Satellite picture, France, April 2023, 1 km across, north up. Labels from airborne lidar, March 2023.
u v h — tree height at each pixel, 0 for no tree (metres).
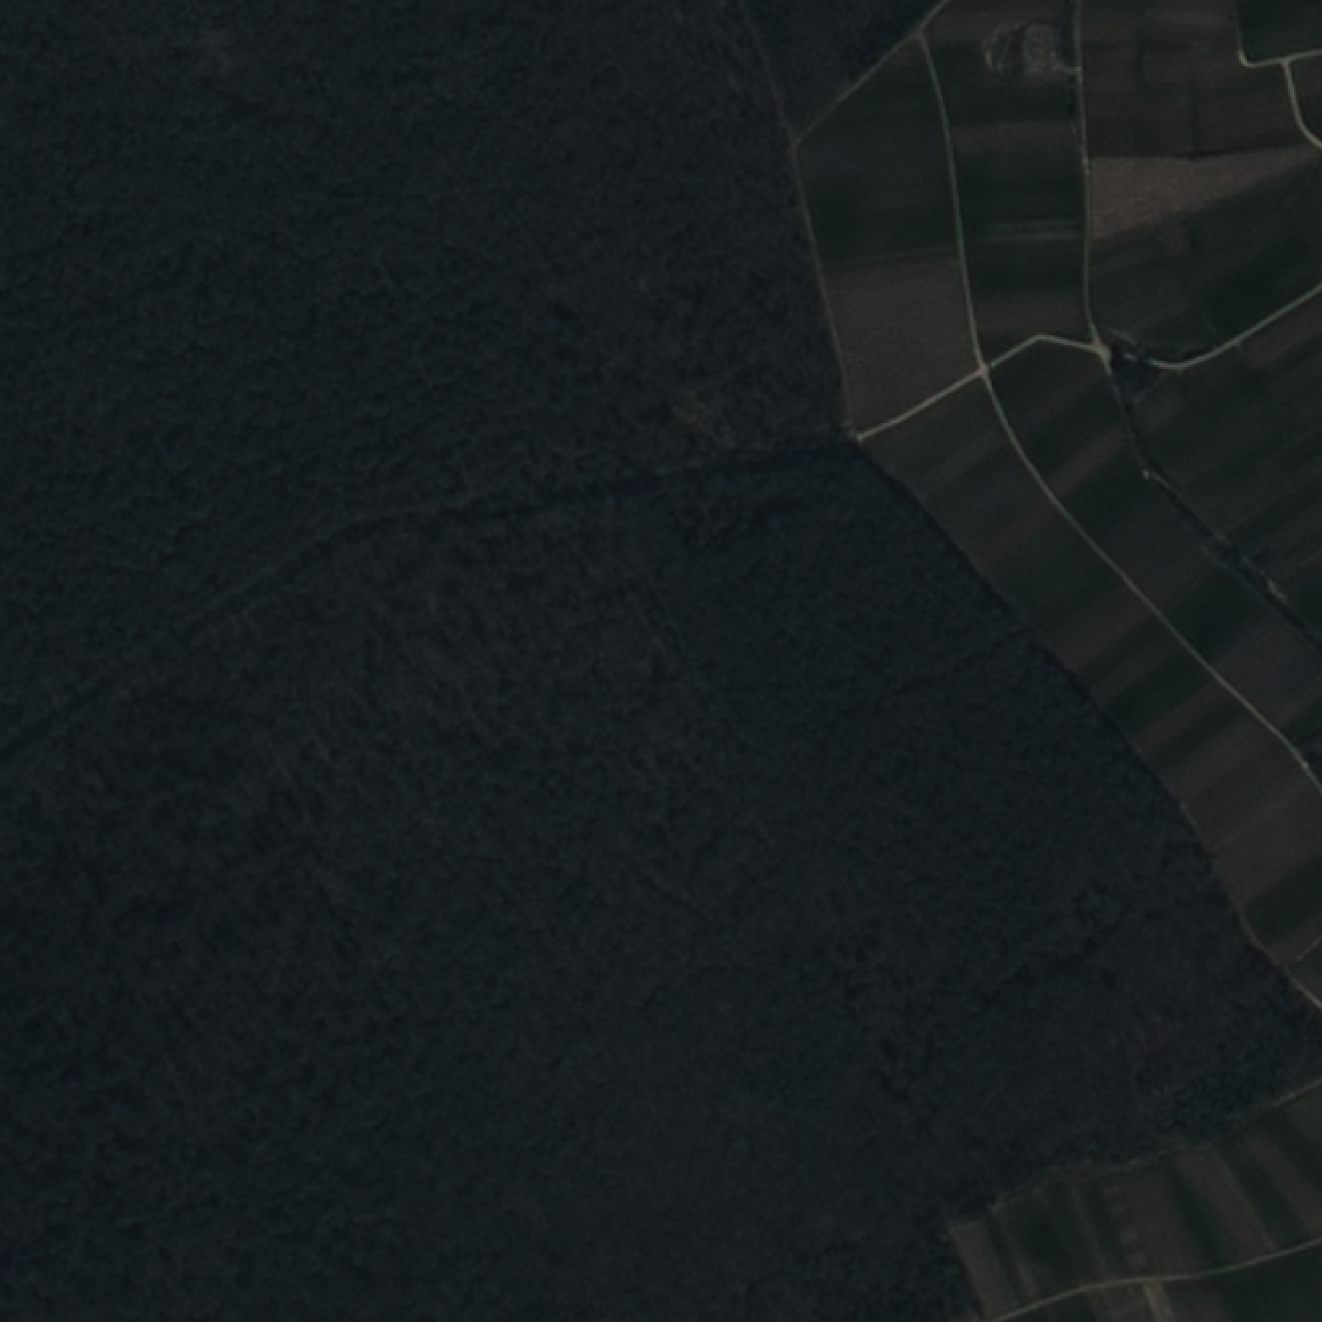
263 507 20
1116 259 0
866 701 25
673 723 23
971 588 22
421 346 22
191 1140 24
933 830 23
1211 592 0
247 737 27
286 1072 23
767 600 24
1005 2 0
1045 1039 23
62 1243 23
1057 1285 0
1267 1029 12
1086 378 0
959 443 0
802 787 21
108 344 21
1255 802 0
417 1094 15
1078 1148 14
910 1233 18
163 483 23
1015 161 0
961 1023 25
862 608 22
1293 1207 0
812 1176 22
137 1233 20
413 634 25
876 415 0
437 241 17
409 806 27
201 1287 21
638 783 23
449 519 16
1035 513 0
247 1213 21
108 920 27
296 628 18
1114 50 0
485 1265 28
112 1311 22
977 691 22
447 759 16
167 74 24
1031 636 22
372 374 22
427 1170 26
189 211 23
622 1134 19
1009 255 0
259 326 18
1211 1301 0
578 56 18
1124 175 0
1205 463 0
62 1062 27
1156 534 0
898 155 0
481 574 21
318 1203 26
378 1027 13
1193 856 21
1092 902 16
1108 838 23
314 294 19
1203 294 0
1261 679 0
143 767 28
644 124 22
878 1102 22
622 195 22
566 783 19
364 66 24
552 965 28
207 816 26
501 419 19
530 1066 25
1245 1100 11
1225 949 23
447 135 16
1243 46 0
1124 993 25
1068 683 17
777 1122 27
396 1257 23
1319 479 0
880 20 14
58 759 24
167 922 24
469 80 23
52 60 26
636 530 23
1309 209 0
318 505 18
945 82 0
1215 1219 0
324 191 22
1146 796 20
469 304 13
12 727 14
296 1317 26
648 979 23
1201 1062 19
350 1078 24
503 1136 18
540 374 23
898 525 22
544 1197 23
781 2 19
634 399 25
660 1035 26
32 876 18
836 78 17
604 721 27
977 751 22
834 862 24
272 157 23
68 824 6
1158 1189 0
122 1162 21
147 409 26
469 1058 26
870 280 0
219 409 21
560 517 21
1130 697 0
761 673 23
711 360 19
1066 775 23
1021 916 23
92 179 26
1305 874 0
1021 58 0
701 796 20
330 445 22
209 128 20
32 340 20
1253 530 0
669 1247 21
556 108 17
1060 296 0
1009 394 0
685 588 23
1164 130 0
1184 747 0
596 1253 24
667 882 16
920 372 0
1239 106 0
